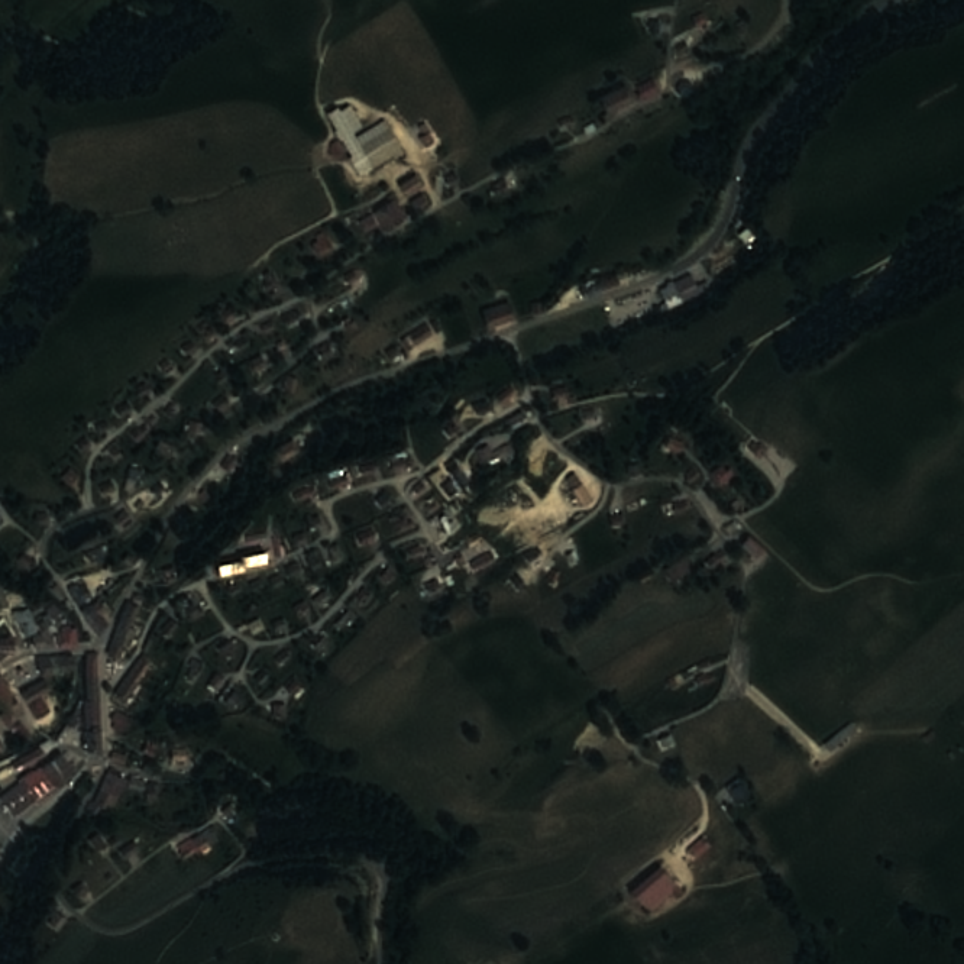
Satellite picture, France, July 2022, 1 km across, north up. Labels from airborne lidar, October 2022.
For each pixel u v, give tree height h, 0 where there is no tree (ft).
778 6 0
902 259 46
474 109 0
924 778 0
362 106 0
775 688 0
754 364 0
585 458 30
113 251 0
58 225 64
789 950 0
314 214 0
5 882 72
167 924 0
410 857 110
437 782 0
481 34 0
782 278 0
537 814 0
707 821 0
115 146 0
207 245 0
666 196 0
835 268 0
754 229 52
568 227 0
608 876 0
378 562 0
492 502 0
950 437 0
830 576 0
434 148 0
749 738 0
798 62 48
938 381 0
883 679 0
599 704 49
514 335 0
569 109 0
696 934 0
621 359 0
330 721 0
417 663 0
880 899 0
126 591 0
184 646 21
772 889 41
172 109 0
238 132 0
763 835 0
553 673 0
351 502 0
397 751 0
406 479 0
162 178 0
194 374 0
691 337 0
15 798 0
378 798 40
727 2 0
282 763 0
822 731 0
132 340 0
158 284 0
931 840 0
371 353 0
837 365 0
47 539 0
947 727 0
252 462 65
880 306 38
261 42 0
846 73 78
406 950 49
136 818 0
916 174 0
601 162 0
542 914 0
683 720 0
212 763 38
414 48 0
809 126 50
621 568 0
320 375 0
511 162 42
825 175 0
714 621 0
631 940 0
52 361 0
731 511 36
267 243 0
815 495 0
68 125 0
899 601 0
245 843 46
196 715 82
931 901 0
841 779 0
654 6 0
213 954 0
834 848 0
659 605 0
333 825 58
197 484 0
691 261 0
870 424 0
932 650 0
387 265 0
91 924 0
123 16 77
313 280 61
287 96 0
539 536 0
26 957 74
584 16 0
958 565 0
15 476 0
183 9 95
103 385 0
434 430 0
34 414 0
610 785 0
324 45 0
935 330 0
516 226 64
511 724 0
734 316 0
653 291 0
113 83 98
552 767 0
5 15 0
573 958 0
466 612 0
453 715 0
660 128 0
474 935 0
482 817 0
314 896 0
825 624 0
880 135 0
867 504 0
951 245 57
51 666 0
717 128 31
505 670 0
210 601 0
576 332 0
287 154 0
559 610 0
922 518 0
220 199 0
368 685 0
